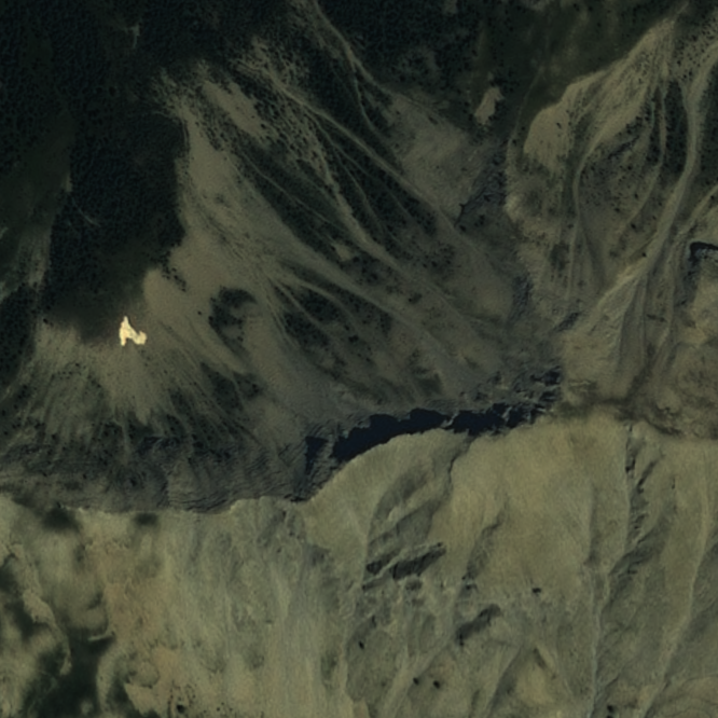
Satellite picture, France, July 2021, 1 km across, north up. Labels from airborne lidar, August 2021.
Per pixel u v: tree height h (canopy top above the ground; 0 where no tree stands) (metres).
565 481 0
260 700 0
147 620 0
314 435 0
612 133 0
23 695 0
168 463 0
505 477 0
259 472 0
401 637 0
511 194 0
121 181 14
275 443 0
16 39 13
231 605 0
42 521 0
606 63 0
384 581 0
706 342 0
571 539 0
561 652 0
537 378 0
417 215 9
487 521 0
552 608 0
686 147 7
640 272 0
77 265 8
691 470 0
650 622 0
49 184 0
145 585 0
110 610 0
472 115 7
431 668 0
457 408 0
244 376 0
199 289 0
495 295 0
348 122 8
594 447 0
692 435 0
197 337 0
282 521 0
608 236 0
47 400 0
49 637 0
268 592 0
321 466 0
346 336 0
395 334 0
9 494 0
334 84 6
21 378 0
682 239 0
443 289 0
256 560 0
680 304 0
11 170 8
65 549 0
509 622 0
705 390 0
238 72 10
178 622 0
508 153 0
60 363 0
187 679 0
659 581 0
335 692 0
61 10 16
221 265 0
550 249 0
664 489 0
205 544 0
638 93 0
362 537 0
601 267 0
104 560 0
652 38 0
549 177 0
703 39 0
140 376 0
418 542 0
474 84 0
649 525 0
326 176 0
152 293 0
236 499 0
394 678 0
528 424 0
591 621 0
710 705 0
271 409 0
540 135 0
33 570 0
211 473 0
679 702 0
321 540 0
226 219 0
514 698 0
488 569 0
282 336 0
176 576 0
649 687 0
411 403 0
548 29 0
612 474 0
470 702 0
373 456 0
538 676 0
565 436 0
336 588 0
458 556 0
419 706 0
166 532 0
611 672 0
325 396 0
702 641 0
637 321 0
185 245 0
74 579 0
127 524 0
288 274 0
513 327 0
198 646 0
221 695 0
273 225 0
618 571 0
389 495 0
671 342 0
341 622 0
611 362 0
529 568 0
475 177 0
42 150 0
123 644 0
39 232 0
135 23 6
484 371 0
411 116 0
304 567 0
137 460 0
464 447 0
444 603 0
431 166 0
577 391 0
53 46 6
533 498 0
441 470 0
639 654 0
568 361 0
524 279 0
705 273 0
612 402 0
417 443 0
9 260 0
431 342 0
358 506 0
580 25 0
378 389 0
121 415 0
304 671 0
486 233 0
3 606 0
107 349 0
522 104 0
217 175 0
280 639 0
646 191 0
